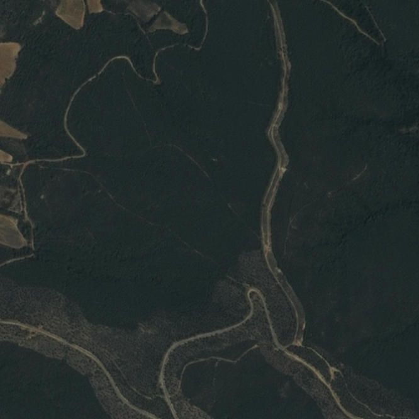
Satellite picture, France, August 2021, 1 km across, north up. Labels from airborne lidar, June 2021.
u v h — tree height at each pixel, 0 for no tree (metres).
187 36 9
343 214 6
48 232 7
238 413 7
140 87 6
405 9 6
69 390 7
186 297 9
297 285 6
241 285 6
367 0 7
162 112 7
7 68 0
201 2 0
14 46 0
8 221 0
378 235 5
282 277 0
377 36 9
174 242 6
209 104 6
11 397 11
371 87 6
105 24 7
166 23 0
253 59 7
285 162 0
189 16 8
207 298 7
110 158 6
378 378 7
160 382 0
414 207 11
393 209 8
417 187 6
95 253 8
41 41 6
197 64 7
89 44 6
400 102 6
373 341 8
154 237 6
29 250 11
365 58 8
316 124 5
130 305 6
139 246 6
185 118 7
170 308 5
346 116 6
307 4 6
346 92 6
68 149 7
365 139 6
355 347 6
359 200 6
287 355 0
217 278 7
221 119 5
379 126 6
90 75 6
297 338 0
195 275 6
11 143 0
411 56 10
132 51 9
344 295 5
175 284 6
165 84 6
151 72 8
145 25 8
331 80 7
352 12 11
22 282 5
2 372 6
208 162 6
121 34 6
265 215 0
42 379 6
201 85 7
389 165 5
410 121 9
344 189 6
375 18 8
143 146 5
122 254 7
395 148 7
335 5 8
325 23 7
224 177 6
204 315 6
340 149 6
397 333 6
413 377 6
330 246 7
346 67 6
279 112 0
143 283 8
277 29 0
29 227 9
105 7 0
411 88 7
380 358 6
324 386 6
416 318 7
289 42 6
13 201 0
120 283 7
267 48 5
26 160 0
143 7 0
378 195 8
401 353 6
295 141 5
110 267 8
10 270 6
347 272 6
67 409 6
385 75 10
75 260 10
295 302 0
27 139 7
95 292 6
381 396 6
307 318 6
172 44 6
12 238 0
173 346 0
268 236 0
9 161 0
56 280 6
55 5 0
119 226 6
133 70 7
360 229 6
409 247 6
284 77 0
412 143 9
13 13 7
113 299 6
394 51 9
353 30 8
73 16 0
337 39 6
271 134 0
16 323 0
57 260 15
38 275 6
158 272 8
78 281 9
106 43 5
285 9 6
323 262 7
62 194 0
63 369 6
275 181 0
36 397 7
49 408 8
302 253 5
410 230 6
